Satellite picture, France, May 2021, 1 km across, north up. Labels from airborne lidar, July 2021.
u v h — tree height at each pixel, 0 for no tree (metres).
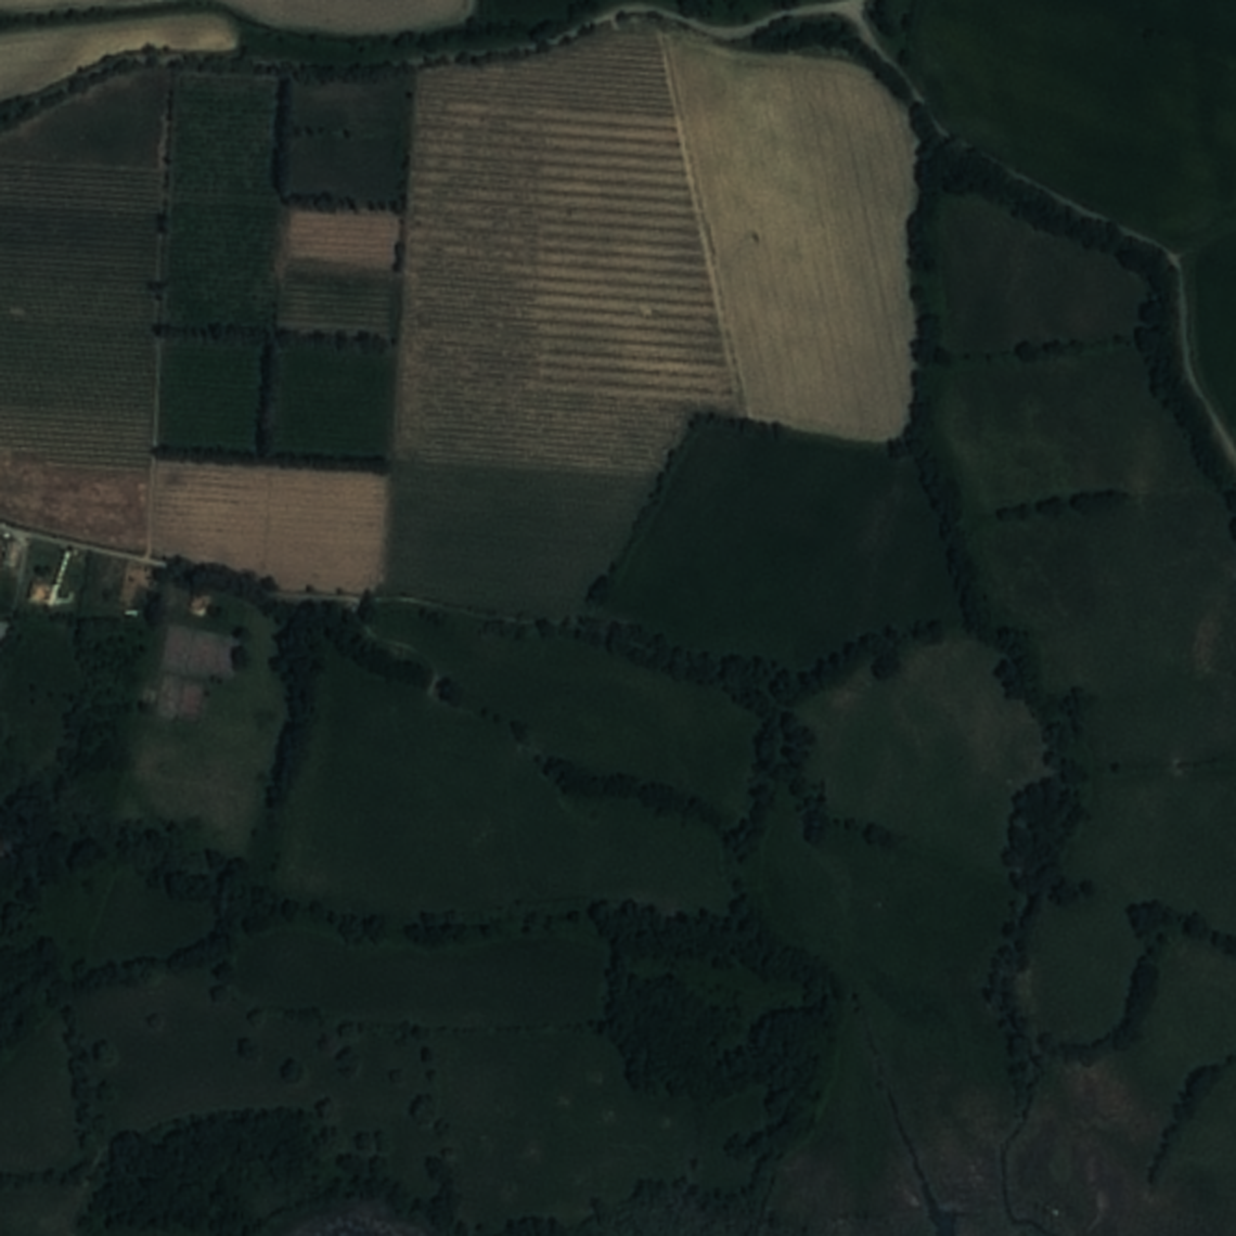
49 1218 0
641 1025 20
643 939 16
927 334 16
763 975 14
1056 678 0
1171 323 16
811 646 0
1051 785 17
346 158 0
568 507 0
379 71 14
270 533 0
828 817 11
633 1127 0
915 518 0
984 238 0
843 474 0
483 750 0
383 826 0
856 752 0
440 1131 8
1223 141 0
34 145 0
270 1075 0
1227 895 0
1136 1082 0
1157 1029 0
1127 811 0
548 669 0
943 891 0
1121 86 0
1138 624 0
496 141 0
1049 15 0
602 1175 0
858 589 0
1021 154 0
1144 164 0
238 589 28
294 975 0
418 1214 15
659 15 9
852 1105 0
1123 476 0
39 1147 0
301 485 0
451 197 0
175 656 0
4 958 8
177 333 21
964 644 0
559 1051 0
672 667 17
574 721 0
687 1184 13
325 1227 0
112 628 11
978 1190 0
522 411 0
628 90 0
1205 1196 0
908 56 9
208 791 0
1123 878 0
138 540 0
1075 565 0
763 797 19
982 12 0
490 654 0
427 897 0
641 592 0
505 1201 0
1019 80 0
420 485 0
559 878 0
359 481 0
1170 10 0
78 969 10
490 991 0
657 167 0
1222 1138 0
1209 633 0
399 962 0
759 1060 20
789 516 0
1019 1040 17
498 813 0
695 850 0
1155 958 10
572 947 0
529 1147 0
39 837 24
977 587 13
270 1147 15
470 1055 0
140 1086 0
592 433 0
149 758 0
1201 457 12
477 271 0
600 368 0
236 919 17
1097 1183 0
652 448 0
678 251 0
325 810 0
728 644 0
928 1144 0
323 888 0
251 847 0
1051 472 0
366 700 0
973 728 0
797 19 10
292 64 11
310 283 0
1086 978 0
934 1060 0
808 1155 0
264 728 0
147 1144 21
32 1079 0
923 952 0
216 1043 0
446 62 9
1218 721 0
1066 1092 0
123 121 0
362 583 0
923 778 0
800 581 0
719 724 0
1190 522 0
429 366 0
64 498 0
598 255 0
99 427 0
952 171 16
